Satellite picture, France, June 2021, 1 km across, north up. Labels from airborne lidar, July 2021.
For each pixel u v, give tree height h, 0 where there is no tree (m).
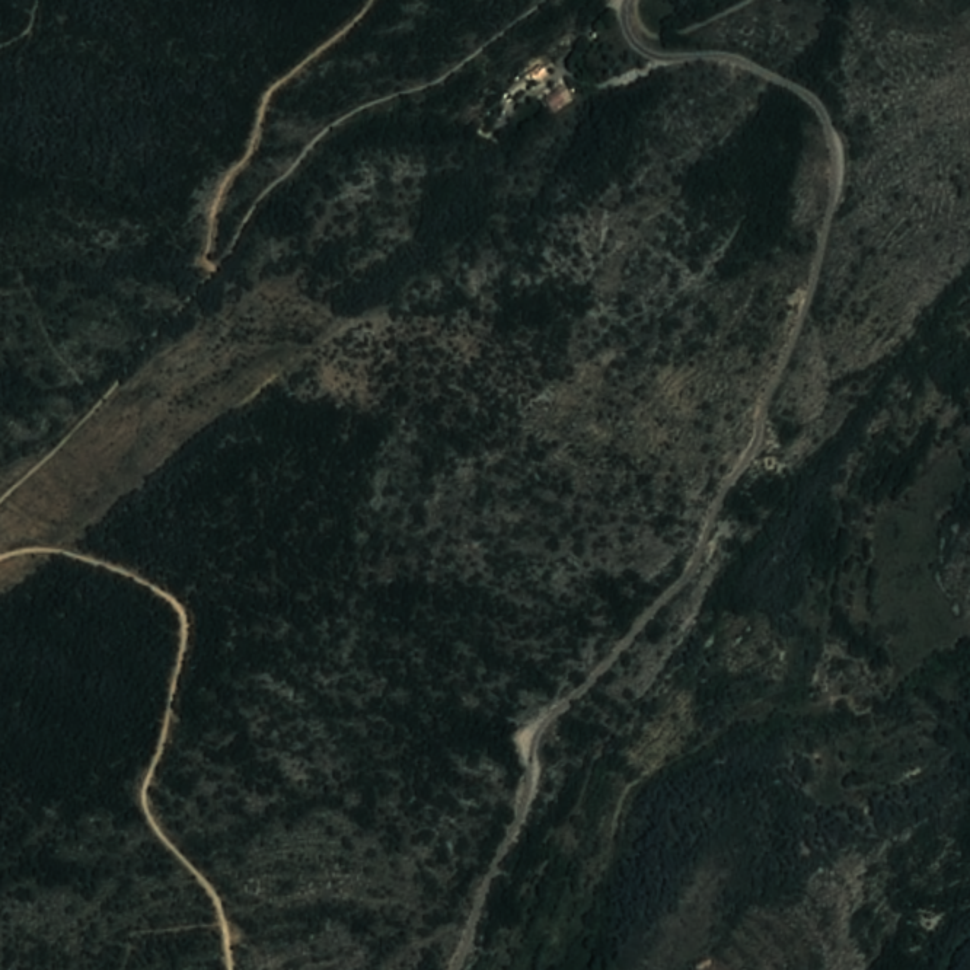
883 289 0
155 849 8
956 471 0
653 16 0
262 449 6
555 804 11
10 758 8
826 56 6
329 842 0
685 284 0
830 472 12
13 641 8
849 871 0
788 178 6
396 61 10
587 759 10
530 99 14
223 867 0
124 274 6
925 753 7
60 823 5
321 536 6
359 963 0
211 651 7
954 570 0
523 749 0
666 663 8
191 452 7
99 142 9
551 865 10
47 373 7
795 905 0
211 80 7
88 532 9
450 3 9
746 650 0
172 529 8
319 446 6
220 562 8
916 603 0
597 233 0
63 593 10
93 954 7
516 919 11
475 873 9
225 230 9
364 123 7
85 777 9
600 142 11
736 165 11
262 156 8
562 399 0
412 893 0
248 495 9
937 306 8
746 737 6
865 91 0
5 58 7
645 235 0
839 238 0
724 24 0
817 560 12
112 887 0
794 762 7
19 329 6
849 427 11
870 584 11
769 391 0
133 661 8
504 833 10
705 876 0
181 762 6
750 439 0
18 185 6
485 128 6
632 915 10
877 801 11
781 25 0
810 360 0
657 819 11
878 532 0
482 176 7
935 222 0
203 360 0
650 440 0
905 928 12
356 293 8
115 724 7
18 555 0
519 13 7
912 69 0
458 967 0
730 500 10
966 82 0
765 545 10
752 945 0
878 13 0
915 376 10
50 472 0
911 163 0
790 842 12
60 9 8
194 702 11
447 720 6
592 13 8
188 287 7
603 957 10
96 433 0
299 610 7
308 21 6
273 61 6
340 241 7
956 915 9
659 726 0
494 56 8
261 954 0
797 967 0
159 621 10
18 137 9
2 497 0
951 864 7
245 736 6
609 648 0
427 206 8
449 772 5
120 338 0
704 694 11
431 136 8
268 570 7
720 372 0
